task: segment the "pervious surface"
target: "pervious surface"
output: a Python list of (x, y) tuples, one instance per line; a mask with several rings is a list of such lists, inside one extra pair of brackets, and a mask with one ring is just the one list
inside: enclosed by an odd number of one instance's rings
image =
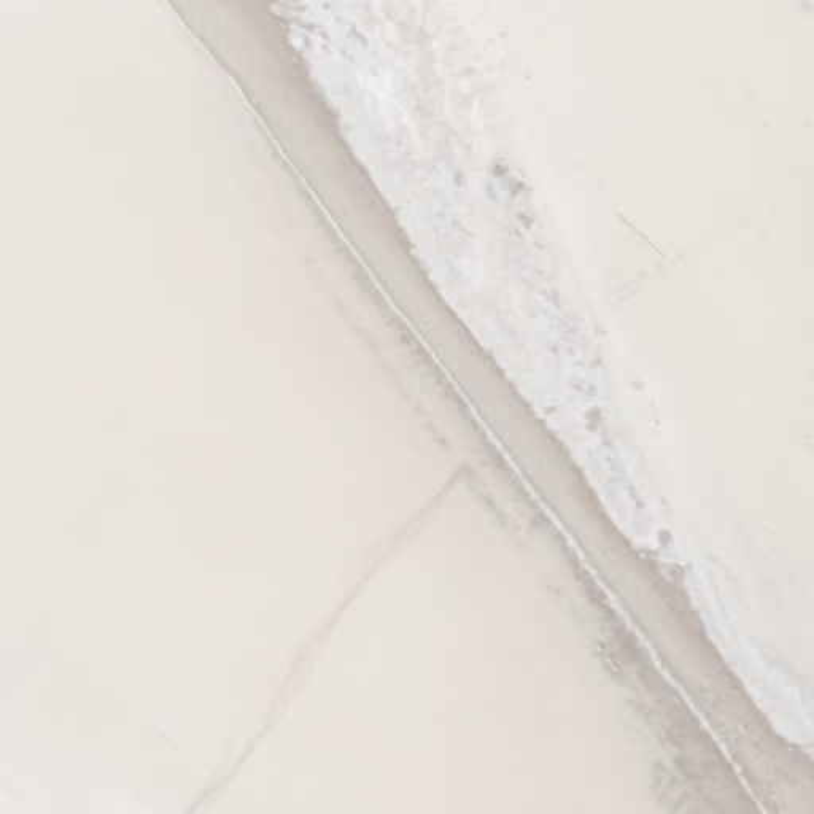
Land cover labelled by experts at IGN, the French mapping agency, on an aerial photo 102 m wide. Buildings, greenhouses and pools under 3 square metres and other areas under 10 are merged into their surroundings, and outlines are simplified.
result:
[(321, 232), (328, 248), (347, 264), (353, 283), (375, 305), (382, 324), (391, 328), (378, 340), (366, 324), (353, 328), (350, 334), (369, 353), (369, 362), (391, 382), (394, 394), (413, 410), (417, 423), (442, 448), (442, 458), (452, 467), (448, 480), (423, 502), (426, 512), (432, 515), (458, 483), (467, 483), (467, 493), (486, 509), (486, 515), (499, 525), (499, 531), (518, 553), (537, 550), (544, 541), (550, 541), (556, 553), (544, 563), (544, 591), (553, 598), (556, 614), (569, 617), (579, 636), (598, 652), (604, 674), (630, 690), (630, 712), (623, 715), (626, 741), (633, 747), (642, 747), (652, 763), (674, 760), (687, 785), (696, 792), (696, 801), (712, 814), (814, 814), (814, 0), (169, 0), (175, 16), (204, 45), (213, 64), (235, 79), (235, 86), (254, 111), (254, 127), (264, 137), (273, 165), (286, 172), (289, 188), (315, 219), (315, 229)]
[(19, 760), (0, 757), (0, 814), (134, 814), (130, 801), (121, 792), (92, 795), (83, 782), (73, 779), (57, 779), (45, 785), (38, 779), (38, 763), (29, 757), (29, 750)]

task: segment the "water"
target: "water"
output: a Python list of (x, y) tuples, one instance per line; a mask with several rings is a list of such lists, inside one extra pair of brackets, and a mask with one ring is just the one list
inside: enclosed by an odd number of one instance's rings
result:
[(537, 550), (518, 553), (499, 531), (499, 525), (486, 515), (486, 509), (467, 493), (467, 483), (458, 483), (432, 515), (426, 512), (423, 502), (448, 480), (452, 467), (442, 458), (442, 448), (417, 423), (413, 410), (394, 394), (391, 382), (369, 362), (369, 353), (350, 334), (353, 328), (366, 324), (378, 340), (391, 328), (382, 324), (375, 305), (353, 283), (347, 264), (328, 248), (321, 232), (315, 229), (315, 219), (289, 188), (286, 172), (273, 165), (264, 137), (254, 127), (254, 111), (235, 86), (235, 79), (213, 64), (204, 45), (175, 16), (169, 0), (0, 0), (0, 757), (19, 760), (29, 750), (29, 757), (38, 763), (38, 779), (45, 785), (57, 779), (73, 779), (83, 782), (92, 795), (121, 792), (130, 801), (134, 814), (712, 814), (696, 801), (696, 792), (687, 785), (674, 760), (652, 763), (642, 747), (633, 747), (626, 741), (623, 715), (630, 712), (630, 690), (604, 674), (598, 652), (579, 636), (569, 617), (556, 614), (553, 598), (544, 591), (544, 563), (556, 553), (550, 541), (544, 541)]

